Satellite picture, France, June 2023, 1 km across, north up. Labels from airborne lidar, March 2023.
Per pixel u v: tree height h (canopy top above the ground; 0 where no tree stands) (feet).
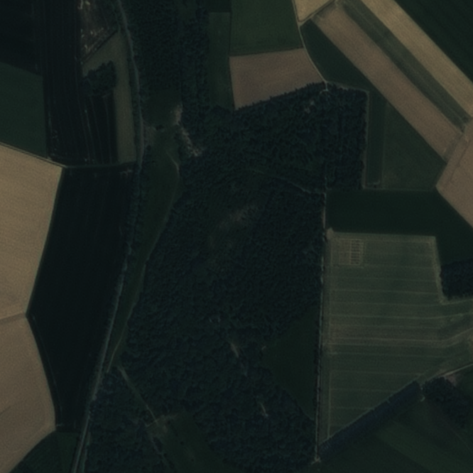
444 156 0
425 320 0
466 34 0
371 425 96
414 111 0
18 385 0
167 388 87
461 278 80
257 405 56
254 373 101
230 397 105
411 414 0
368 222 0
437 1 0
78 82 0
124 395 93
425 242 0
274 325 73
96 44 0
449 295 53
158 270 66
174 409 93
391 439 0
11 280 0
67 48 0
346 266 0
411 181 0
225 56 0
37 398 0
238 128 62
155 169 0
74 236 0
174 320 86
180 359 84
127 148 0
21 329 0
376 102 0
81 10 0
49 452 0
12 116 0
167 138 0
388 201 0
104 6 0
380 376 0
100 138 0
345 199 0
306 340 0
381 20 0
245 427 87
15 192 0
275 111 74
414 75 0
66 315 0
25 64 0
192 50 49
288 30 0
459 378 0
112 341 22
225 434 84
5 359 0
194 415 93
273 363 0
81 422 0
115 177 0
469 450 0
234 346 0
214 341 96
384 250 0
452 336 0
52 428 0
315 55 0
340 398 0
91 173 0
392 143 0
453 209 0
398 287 0
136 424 91
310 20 0
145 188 63
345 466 0
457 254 0
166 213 0
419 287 0
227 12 0
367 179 0
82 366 0
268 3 0
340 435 0
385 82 0
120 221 0
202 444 0
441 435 0
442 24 0
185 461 0
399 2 0
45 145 0
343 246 0
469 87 0
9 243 0
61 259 0
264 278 67
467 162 0
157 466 109
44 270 0
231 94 0
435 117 0
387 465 0
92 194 0
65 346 0
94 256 0
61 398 0
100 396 63
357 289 0
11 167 0
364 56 0
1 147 0
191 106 87
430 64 0
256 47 0
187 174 103
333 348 0
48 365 0
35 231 0
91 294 0
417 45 0
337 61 0
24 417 0
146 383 83
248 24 0
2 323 0
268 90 0
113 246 0
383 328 0
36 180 0
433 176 0
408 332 0
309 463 56
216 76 0
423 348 0
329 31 0
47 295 0
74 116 0
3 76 0
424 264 0
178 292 66
